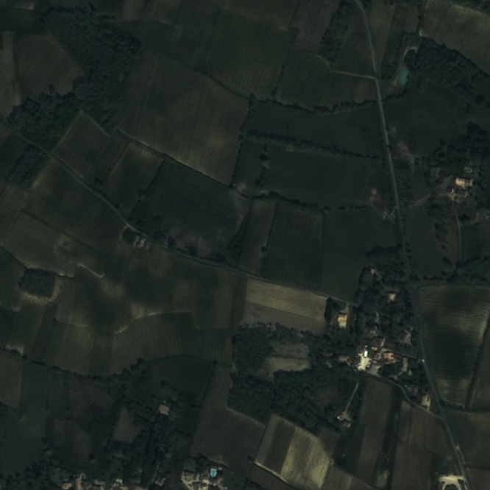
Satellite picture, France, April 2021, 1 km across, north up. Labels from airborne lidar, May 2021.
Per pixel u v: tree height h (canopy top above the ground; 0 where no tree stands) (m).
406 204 8
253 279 0
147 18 0
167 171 0
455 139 0
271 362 0
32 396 0
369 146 0
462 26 0
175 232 0
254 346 19
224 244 0
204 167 0
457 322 0
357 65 0
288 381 11
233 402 9
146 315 0
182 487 0
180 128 0
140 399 0
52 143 18
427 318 0
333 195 0
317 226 0
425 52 17
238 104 0
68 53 0
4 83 0
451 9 0
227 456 0
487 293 0
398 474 0
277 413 13
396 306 14
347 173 0
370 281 14
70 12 13
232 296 0
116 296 0
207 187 0
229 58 0
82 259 0
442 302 0
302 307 0
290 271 0
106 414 0
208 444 0
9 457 0
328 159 0
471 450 0
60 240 0
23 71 0
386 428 0
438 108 0
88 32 18
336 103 0
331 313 12
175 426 16
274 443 0
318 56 0
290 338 15
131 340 0
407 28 0
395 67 7
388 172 8
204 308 0
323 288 0
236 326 0
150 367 0
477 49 0
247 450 0
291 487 0
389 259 15
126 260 0
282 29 0
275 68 0
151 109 0
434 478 0
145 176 0
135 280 0
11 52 0
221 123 0
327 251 0
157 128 0
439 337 0
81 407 0
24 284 17
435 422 0
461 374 0
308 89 0
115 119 7
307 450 0
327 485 0
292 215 0
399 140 0
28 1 0
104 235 0
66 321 0
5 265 0
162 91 0
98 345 0
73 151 0
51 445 10
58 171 0
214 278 0
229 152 0
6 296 0
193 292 0
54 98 18
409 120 0
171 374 0
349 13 12
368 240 0
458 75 23
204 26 0
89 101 13
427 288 0
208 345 0
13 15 0
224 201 0
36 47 0
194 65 0
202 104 0
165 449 11
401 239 0
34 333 0
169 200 0
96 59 9
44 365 9
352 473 0
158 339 0
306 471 0
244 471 0
